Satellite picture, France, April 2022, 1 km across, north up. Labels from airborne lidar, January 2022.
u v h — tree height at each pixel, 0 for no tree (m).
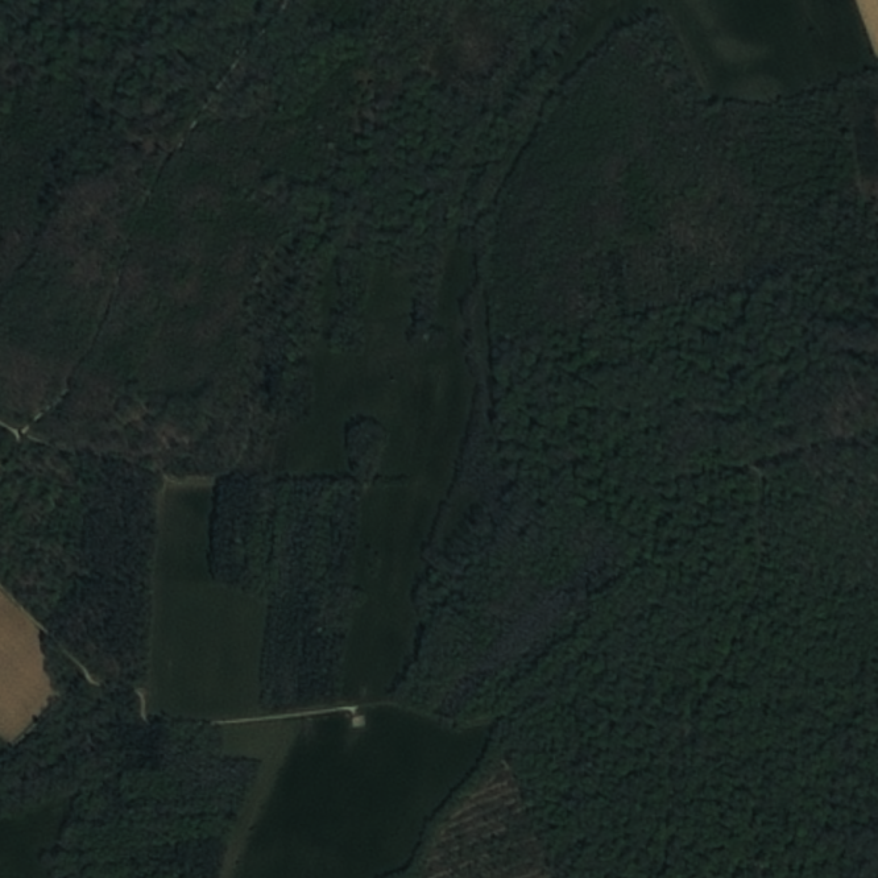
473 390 0
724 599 15
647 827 21
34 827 0
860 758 31
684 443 25
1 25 28
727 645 14
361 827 0
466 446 15
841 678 18
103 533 19
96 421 9
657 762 19
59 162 16
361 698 0
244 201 23
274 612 11
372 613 0
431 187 31
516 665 15
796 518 19
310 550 15
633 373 24
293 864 0
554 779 19
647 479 20
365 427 19
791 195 8
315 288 20
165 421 24
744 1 0
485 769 11
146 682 11
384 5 18
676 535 17
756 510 17
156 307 17
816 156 8
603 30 0
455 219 24
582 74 12
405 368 0
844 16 0
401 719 0
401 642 0
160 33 28
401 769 0
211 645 0
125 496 20
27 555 12
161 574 0
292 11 26
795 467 23
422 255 23
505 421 27
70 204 16
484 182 23
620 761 23
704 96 11
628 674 19
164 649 0
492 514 24
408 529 0
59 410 10
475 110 24
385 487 14
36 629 0
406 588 0
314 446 0
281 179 21
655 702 22
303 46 27
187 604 0
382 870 0
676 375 27
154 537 15
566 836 18
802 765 24
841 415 27
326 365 0
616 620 20
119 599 21
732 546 18
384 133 25
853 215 20
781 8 0
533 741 23
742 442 21
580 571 16
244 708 0
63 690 14
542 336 19
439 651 24
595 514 21
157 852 21
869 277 23
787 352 24
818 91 11
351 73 7
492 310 11
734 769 16
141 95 12
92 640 20
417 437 0
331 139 11
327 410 0
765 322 25
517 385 22
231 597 0
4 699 0
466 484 17
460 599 21
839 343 25
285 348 23
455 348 0
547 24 28
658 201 12
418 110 22
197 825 19
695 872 17
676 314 13
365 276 20
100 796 14
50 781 22
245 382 11
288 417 22
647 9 0
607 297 11
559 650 20
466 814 0
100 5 27
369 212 28
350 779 0
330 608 16
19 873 0
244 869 0
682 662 19
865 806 33
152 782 20
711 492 21
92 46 30
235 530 19
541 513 24
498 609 27
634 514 24
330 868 0
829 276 14
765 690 23
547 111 16
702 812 19
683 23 0
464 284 0
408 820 0
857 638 19
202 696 0
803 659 17
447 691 16
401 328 0
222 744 13
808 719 20
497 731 12
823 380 23
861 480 23
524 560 25
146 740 19
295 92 26
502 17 18
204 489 0
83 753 18
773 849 22
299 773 0
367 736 0
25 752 17
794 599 18
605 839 24
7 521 15
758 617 20
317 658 20
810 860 21
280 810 0
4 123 8
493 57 0
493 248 13
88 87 15
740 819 22
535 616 19
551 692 20
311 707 11
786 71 0
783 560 16
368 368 0
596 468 20
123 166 14
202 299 9
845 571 17
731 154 13
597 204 16
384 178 28
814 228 23
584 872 21
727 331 30
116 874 24
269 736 0
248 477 17
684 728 22
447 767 0
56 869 12
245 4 26
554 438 25
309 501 20
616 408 22
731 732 21
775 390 25
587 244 13
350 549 20
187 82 31
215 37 26
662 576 17
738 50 0
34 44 22
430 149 18
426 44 21
